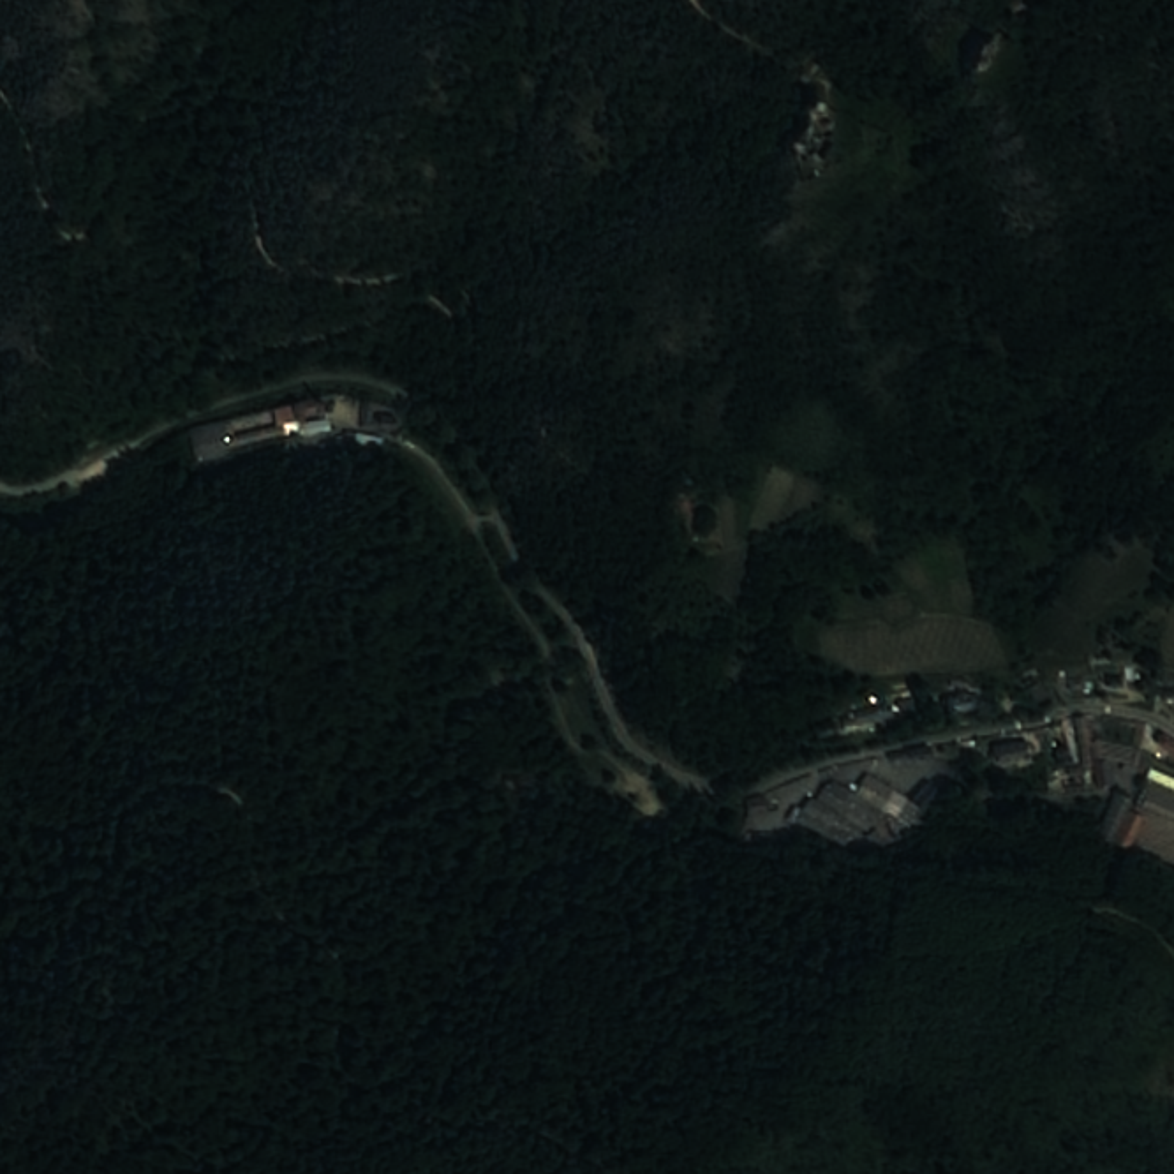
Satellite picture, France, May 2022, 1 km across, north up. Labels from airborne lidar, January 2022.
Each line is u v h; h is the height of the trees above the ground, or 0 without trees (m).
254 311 13
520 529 18
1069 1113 24
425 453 0
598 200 21
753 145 25
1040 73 10
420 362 20
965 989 24
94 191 15
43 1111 13
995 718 18
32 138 11
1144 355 24
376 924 19
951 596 0
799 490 0
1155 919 17
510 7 23
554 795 30
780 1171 24
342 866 20
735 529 0
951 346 16
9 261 16
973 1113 20
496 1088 22
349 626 11
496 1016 25
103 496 20
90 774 18
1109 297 24
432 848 28
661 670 18
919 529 12
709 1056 25
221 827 18
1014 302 15
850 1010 30
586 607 18
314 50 13
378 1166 25
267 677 19
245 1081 22
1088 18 20
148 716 17
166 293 20
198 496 15
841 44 16
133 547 14
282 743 27
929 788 0
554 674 18
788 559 17
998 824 31
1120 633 16
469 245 28
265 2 28
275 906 13
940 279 11
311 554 28
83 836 19
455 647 23
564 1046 25
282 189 19
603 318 10
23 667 29
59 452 19
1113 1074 23
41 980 15
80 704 26
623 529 17
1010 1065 20
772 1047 25
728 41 10
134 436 18
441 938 27
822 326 12
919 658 0
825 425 17
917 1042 23
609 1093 7
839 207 7
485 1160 23
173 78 27
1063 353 21
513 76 15
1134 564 0
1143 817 0
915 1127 22
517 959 36
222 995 19
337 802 28
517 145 16
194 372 30
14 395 11
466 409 19
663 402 6
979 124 12
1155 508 18
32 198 21
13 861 11
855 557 19
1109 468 20
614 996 27
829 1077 27
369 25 15
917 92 20
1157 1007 26
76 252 9
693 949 35
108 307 20
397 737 26
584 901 27
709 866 29
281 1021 18
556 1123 23
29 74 20
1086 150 13
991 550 12
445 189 11
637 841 19
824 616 16
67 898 30
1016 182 9
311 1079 30
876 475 16
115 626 20
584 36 23
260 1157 27
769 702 20
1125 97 14
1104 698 13
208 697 10
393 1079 15
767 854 18
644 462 10
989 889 20
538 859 29
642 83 18
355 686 18
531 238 22
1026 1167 25
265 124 23
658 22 13
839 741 7
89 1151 15
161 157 27
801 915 18
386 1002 24
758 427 17
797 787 0
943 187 16
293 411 0
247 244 21
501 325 9
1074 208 10
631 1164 18
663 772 12
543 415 12
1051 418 22
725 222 15
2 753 20
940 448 13
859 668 0
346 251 14
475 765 31
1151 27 17
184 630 17
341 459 18
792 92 17
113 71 8
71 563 25
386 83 13
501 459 12
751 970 32
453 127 19
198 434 0
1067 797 0
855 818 0
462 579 15
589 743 14
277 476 14
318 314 18
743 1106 19
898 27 25
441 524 15
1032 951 21
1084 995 25
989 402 14
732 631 11
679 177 25
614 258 21
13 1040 21
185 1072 25
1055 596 17
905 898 18
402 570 20
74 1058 12
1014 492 19
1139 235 26
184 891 21
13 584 24
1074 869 7
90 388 16
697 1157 25
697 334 0
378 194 8
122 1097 16
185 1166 23
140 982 21
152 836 14
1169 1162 27
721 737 20
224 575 17
